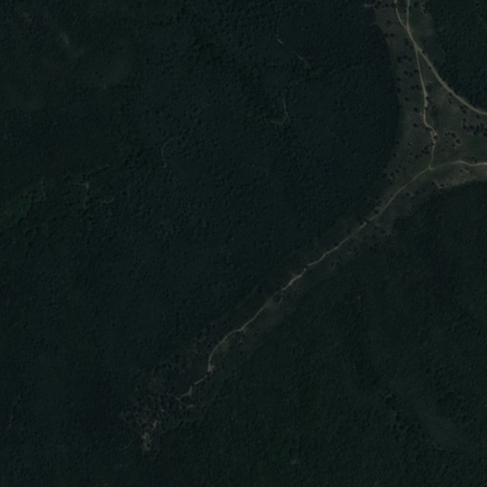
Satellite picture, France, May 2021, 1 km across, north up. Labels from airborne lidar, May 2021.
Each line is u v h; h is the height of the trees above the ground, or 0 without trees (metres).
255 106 14
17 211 15
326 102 5
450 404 17
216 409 12
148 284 8
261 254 6
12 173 9
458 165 0
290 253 6
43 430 6
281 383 8
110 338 7
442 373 14
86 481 12
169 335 8
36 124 10
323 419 8
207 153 12
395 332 9
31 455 5
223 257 8
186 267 6
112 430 10
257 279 7
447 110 0
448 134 6
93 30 13
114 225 10
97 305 9
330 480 12
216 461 11
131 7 12
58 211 27
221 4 17
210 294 6
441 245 13
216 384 12
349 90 9
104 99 8
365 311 9
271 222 6
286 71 8
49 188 19
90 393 13
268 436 10
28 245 13
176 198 8
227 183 10
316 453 16
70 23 15
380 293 9
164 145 9
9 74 7
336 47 14
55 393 6
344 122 7
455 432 6
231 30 7
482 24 8
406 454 11
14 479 11
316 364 9
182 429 14
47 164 16
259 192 9
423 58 0
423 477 9
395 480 10
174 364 7
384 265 6
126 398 6
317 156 7
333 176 10
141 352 6
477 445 9
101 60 6
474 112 0
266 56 7
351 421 13
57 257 9
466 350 11
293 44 9
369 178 11
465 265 6
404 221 11
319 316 6
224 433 7
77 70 9
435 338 6
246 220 9
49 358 5
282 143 13
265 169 6
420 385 7
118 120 19
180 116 6
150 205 9
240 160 7
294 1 7
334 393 8
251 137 7
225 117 7
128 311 6
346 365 9
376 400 6
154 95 6
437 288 16
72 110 8
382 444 8
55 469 11
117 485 7
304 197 14
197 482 16
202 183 6
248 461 10
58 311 10
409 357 7
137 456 10
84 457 9
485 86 8
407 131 0
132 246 8
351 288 8
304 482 13
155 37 9
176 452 14
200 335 13
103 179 12
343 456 11
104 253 18
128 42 10
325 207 8
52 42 6
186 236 10
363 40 6
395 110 7
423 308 8
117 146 14
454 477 14
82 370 11
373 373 15
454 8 12
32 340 9
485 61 10
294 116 12
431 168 0
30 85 10
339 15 6
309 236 6
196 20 9
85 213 16
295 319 7
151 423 8
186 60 13
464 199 6
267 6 14
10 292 15
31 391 9
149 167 18
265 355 6
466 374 7
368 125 7
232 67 15
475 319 10
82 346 9
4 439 8
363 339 17
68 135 10
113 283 6
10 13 7
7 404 10
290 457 12
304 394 18
